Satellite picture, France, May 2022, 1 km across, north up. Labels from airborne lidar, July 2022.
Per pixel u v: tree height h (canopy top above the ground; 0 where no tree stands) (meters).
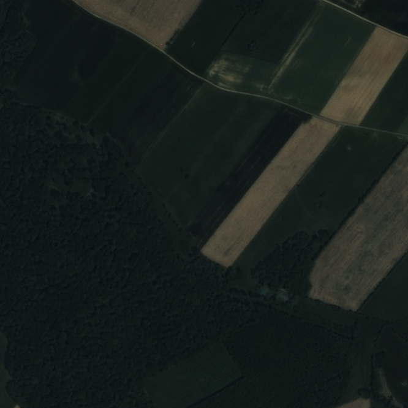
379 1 0
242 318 26
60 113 0
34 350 29
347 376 18
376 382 14
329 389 19
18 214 30
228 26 0
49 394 11
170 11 0
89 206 27
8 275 29
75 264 24
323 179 0
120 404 25
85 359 28
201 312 27
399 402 0
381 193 0
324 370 15
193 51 0
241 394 15
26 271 28
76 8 0
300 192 0
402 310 0
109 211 28
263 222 0
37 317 28
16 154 28
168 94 0
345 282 0
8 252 30
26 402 17
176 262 23
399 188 0
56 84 0
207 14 0
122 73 0
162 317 27
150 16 0
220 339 6
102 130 0
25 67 0
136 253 18
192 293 29
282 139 0
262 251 0
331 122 0
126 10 0
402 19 0
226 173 0
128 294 25
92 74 0
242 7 12
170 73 0
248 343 14
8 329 23
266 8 0
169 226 0
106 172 32
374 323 0
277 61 0
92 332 27
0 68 33
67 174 27
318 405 17
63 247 29
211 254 0
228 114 0
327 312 0
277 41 0
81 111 0
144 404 25
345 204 0
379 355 17
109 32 0
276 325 16
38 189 28
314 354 15
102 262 30
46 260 22
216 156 0
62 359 24
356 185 0
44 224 22
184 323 28
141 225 29
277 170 0
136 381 26
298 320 13
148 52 0
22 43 28
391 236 0
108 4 0
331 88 0
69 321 24
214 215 0
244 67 0
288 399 15
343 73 0
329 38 0
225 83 0
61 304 27
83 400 23
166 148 0
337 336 14
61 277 28
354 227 0
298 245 16
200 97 0
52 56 0
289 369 14
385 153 0
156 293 24
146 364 18
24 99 0
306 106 0
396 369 0
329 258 0
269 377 13
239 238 0
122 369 28
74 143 0
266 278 25
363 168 0
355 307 0
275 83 0
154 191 0
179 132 0
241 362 13
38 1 0
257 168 0
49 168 25
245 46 0
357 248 0
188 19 0
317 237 15
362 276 0
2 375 0
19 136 31
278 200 0
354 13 0
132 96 0
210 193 0
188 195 0
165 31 0
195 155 0
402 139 0
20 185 24
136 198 29
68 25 0
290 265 25
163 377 0
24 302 29
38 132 26
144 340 28
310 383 16
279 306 7
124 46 0
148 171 0
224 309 24
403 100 0
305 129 0
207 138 0
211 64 0
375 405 0
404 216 0
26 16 0
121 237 27
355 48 0
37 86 0
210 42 0
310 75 0
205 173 0
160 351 27
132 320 29
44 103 0
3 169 23
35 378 28
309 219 0
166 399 0
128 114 0
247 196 0
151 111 0
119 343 25
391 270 6
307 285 6
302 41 0
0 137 20
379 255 0
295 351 14
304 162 0
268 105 0
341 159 0
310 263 14
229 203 0
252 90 0
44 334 22
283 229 0
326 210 0
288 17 0
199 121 0
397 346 0
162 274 23
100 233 28
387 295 0
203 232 0
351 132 0
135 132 0
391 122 0
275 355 12
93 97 0
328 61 0
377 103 0
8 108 15
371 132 0
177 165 0
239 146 0
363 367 0
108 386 28
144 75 0
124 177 23
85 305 15
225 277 9
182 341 25
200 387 0
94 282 27
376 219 0
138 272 27
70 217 30
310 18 0
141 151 0
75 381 28
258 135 0
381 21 0
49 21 0
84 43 0
